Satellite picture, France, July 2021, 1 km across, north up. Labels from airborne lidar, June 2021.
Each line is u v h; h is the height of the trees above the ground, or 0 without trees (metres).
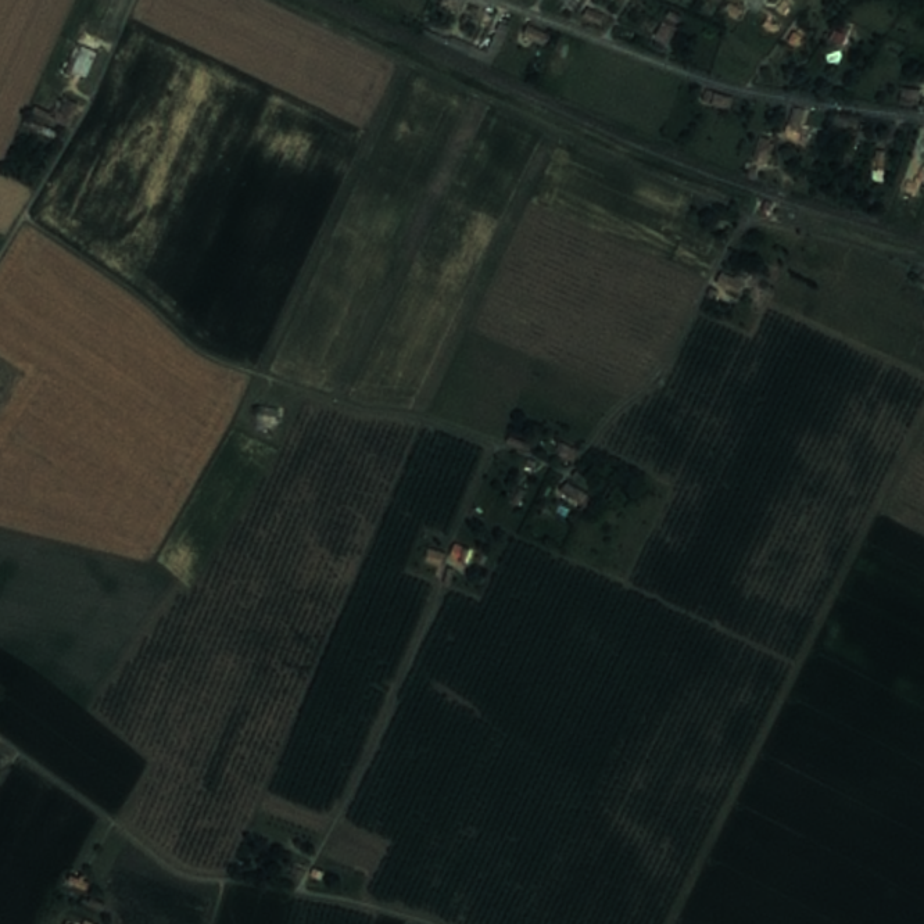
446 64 0
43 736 0
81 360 0
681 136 9
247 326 0
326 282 0
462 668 8
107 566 0
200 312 0
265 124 0
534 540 6
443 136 0
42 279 0
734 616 7
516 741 8
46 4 0
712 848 0
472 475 8
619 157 0
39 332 0
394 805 7
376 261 0
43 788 0
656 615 10
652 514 0
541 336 0
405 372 0
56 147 10
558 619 9
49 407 0
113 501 0
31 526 0
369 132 0
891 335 0
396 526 8
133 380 0
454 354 0
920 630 0
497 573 7
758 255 10
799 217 0
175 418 0
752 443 6
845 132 12
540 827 6
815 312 0
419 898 8
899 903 0
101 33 0
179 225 0
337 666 10
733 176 0
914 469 0
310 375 0
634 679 9
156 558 0
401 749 8
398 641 8
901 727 0
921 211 0
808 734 0
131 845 0
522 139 0
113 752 0
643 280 0
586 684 9
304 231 0
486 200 0
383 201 0
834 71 14
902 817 0
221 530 0
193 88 0
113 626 0
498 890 7
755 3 0
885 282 0
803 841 0
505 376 0
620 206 0
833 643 0
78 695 0
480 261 0
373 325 0
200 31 0
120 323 0
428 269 0
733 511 6
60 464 0
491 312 0
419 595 7
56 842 0
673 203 0
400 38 0
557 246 0
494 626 8
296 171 0
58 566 0
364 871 0
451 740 9
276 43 0
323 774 7
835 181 6
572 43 0
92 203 0
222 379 0
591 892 5
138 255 0
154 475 0
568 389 0
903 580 0
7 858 0
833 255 0
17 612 0
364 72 0
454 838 8
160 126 0
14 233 0
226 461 0
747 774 0
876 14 0
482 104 0
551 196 0
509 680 9
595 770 10
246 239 0
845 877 0
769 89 0
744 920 0
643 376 0
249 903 0
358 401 0
